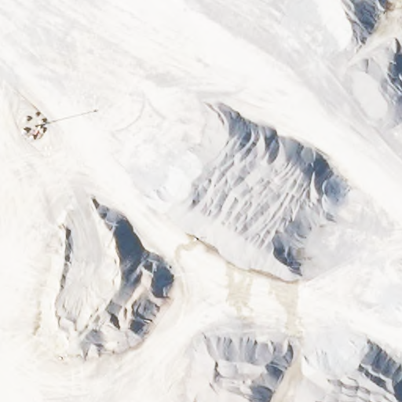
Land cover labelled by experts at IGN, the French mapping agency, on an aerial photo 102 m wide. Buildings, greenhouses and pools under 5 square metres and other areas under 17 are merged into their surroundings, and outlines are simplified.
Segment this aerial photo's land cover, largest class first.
<instances>
[{"label":"pervious surface","instance_id":"1","mask_svg":"<svg viewBox=\"0 0 402 402\"><path fill-rule=\"evenodd\" d=\"M0 402H402V0H0Z\"/></svg>","mask_w":402,"mask_h":402}]
</instances>
